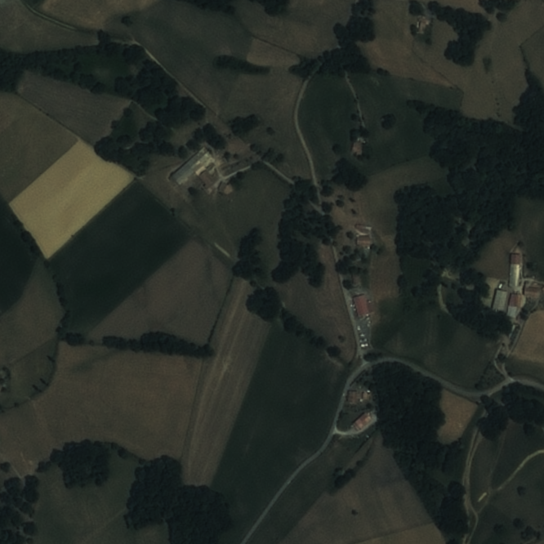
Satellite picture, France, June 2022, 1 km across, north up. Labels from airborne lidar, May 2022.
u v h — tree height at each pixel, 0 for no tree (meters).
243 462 0
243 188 0
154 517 27
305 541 0
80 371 0
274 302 25
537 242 0
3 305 0
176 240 0
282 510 0
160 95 16
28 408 0
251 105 0
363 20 16
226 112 0
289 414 0
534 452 0
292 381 0
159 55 0
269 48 0
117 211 0
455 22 13
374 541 0
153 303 0
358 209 0
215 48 0
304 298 0
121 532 0
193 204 0
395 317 0
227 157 11
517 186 18
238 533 0
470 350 0
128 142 13
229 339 0
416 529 0
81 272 0
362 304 0
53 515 0
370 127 0
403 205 19
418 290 21
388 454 0
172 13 0
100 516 0
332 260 0
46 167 0
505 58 0
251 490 0
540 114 25
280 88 0
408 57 0
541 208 0
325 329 0
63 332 9
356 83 0
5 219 0
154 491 27
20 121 0
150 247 0
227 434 0
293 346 0
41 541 0
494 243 0
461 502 16
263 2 16
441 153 28
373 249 12
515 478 0
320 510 0
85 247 0
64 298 10
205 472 0
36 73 10
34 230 0
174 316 0
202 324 0
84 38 0
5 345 0
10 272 0
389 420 15
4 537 23
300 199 13
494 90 0
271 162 8
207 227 0
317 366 0
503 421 24
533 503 0
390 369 11
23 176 0
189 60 0
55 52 9
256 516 0
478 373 0
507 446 0
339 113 0
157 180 0
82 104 0
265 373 0
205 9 14
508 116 0
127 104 0
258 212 0
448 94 0
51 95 0
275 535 0
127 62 7
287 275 22
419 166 0
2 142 0
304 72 10
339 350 14
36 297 0
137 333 0
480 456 0
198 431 0
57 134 0
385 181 0
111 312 0
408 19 0
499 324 22
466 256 24
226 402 0
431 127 17
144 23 0
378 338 0
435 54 0
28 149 0
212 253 0
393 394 21
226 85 0
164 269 0
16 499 17
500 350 0
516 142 18
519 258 0
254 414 0
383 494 0
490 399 15
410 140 0
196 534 21
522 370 0
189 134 0
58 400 0
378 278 0
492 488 0
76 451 31
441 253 31
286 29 0
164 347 26
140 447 0
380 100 0
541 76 0
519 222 0
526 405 26
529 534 9
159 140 11
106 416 0
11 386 0
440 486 6
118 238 0
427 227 26
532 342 0
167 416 0
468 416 0
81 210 0
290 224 18
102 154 16
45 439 0
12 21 0
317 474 0
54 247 0
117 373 0
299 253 19
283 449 0
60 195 0
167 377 0
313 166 0
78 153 0
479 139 22
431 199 25
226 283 0
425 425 18
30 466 0
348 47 22
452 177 20
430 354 0
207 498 24
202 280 0
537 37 0
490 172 20
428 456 22
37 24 0
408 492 0
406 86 0
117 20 0
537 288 0
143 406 0
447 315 0
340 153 14
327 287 0
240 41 0
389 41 0
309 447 0
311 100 0
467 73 0
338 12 0
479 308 27
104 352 0
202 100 0
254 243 21
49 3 0
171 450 0
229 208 0
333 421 0
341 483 16
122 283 0
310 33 0
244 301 0
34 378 0
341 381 0
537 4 0
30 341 0
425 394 23
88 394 0
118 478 0
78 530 0
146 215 0
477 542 0
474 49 13
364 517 0
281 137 0
